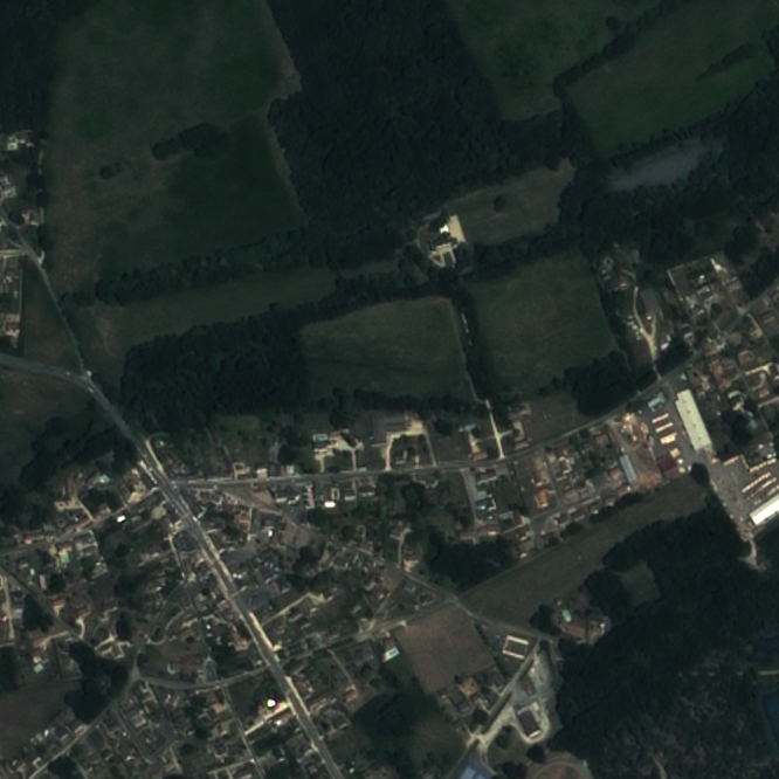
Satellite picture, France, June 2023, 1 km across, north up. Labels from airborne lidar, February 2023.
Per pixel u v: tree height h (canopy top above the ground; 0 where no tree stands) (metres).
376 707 6
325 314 9
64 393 0
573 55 0
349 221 21
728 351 8
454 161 25
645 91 0
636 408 13
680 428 0
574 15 0
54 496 7
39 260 0
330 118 22
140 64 0
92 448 18
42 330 0
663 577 17
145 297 11
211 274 20
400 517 6
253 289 0
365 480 0
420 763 0
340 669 0
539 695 0
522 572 0
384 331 0
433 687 0
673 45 0
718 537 19
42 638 0
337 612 0
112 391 19
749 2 0
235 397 17
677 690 10
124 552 12
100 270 0
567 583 0
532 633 0
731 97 0
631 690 28
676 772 14
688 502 0
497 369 0
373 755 7
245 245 0
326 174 18
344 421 23
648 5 0
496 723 0
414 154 21
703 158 10
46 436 11
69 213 0
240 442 0
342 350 0
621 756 14
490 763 0
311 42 18
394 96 14
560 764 0
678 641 17
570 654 18
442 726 0
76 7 21
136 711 0
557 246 18
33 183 15
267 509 0
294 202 0
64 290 0
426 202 22
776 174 21
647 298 0
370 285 14
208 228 0
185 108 0
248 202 0
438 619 0
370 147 16
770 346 0
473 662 0
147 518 9
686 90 0
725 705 9
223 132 21
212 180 0
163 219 0
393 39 24
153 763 0
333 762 0
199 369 11
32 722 0
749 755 10
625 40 16
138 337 0
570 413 0
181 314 0
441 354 0
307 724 0
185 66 0
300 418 12
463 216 0
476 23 0
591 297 0
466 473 0
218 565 0
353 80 19
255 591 0
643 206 21
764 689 13
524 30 0
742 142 27
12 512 23
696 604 21
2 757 0
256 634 0
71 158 0
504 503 0
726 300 0
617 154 0
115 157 0
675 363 17
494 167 24
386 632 0
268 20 0
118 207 0
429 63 12
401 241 16
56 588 19
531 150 31
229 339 25
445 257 0
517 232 0
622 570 18
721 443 0
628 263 6
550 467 0
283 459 17
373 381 0
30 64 22
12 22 24
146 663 13
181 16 0
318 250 18
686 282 0
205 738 16
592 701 16
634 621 16
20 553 0
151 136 0
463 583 20
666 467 0
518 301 0
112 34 0
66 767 16
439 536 10
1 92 23
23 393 0
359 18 17
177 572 6
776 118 26
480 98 23
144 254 0
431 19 25
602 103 0
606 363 8
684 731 6
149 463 0
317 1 20
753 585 24
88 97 0
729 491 0
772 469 0
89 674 27
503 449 0
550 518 0
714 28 0
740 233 14
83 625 0
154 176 0
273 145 0
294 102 12
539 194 0
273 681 6
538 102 0
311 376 14
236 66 0
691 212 18
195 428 16
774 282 8
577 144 20
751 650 11
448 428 15
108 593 0
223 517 6
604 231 22
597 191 23
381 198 23
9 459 0
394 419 0
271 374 18
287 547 0
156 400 9
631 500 16
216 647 6
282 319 25
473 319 10
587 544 0
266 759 0
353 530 17
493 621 0
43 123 18
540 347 0
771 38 12
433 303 0
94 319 0
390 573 0
